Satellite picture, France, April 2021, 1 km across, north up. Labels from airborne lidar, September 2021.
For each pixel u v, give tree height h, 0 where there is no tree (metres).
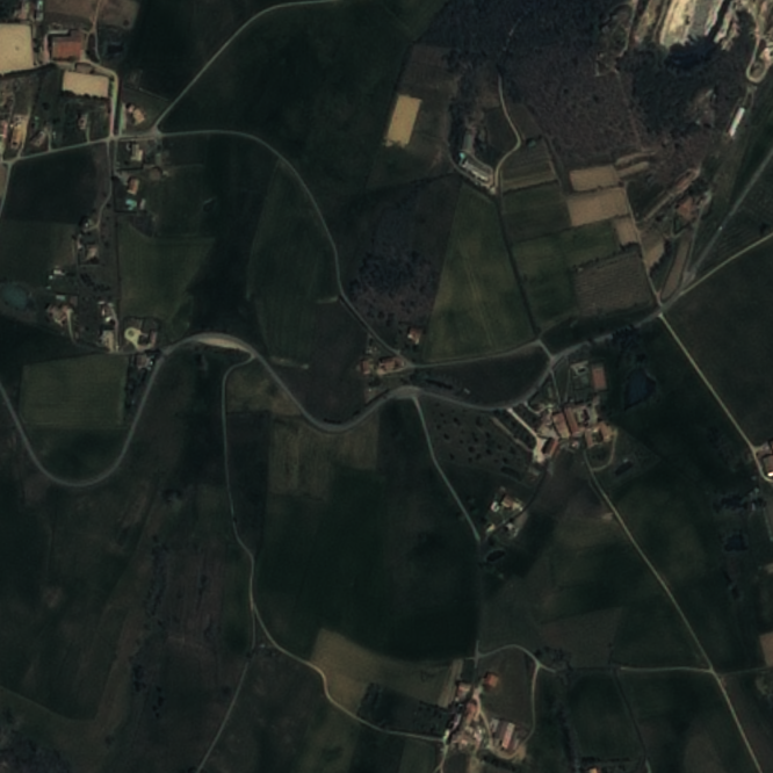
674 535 0
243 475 0
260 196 0
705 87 12
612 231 0
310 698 0
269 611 0
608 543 0
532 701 0
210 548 0
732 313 0
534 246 0
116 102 0
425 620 0
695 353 0
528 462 12
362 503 0
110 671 0
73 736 0
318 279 0
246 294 0
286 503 0
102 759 0
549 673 0
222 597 0
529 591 0
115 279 0
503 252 0
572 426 0
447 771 0
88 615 0
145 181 0
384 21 0
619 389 0
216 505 0
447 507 0
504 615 0
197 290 0
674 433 0
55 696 0
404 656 0
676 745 0
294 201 0
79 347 0
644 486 0
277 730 0
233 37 0
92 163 0
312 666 0
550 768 0
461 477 0
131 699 0
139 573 0
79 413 0
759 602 0
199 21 0
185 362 0
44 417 0
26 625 0
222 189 0
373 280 9
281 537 0
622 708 0
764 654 0
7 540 0
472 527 0
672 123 8
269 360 0
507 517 0
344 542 0
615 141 10
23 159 0
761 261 0
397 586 0
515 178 0
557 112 10
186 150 0
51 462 0
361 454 0
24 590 0
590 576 0
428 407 0
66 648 0
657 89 11
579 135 12
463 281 0
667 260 10
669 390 0
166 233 0
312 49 0
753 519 0
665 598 0
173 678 0
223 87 0
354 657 0
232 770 0
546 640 0
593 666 0
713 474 0
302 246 0
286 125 0
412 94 0
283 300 0
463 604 0
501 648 0
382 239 9
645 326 9
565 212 0
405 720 0
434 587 0
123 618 0
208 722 0
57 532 0
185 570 0
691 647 0
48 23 0
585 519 0
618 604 0
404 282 10
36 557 0
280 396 0
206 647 0
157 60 0
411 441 0
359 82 0
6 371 0
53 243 0
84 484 0
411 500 0
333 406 0
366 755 0
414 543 0
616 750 0
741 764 0
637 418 0
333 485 0
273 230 0
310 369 0
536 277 0
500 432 7
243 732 0
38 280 0
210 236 0
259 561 0
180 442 0
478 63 10
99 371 0
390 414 0
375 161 0
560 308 0
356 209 0
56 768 12
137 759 0
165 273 0
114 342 0
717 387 0
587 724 0
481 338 0
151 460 0
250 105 0
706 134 8
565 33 12
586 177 0
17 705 0
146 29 0
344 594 0
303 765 0
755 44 9
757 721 0
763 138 0
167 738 0
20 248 0
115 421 0
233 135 0
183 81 0
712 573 0
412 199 8
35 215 0
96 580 0
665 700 0
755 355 0
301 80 0
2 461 0
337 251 0
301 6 0
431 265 9
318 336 0
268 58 0
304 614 0
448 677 0
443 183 0
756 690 0
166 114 0
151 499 0
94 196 0
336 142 0
